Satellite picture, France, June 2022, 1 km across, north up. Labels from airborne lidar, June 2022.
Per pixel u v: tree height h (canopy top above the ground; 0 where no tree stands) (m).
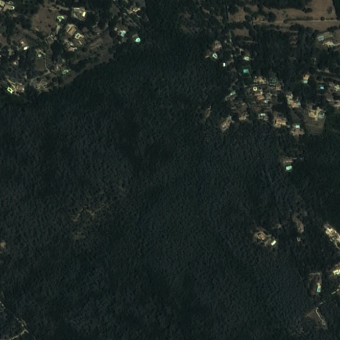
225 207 14
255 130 17
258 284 21
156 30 15
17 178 13
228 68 12
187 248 14
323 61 12
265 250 16
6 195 19
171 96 18
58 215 25
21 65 20
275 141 15
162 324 24
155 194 15
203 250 16
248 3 13
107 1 13
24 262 11
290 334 10
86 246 26
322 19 8
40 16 0
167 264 18
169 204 14
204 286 17
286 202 14
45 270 17
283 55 18
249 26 16
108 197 8
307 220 10
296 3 15
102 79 17
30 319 13
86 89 17
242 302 19
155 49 13
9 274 22
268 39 19
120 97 25
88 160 24
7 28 9
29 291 17
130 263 15
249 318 15
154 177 20
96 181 24
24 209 22
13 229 20
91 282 18
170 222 14
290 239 11
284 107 13
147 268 16
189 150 16
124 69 14
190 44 19
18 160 22
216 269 17
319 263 9
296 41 6
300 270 11
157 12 8
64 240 17
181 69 12
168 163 18
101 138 14
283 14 0
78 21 14
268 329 9
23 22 16
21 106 20
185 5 16
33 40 9
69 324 9
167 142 21
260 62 14
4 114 19
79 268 20
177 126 12
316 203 12
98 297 16
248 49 14
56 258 16
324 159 9
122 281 18
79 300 13
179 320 14
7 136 13
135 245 18
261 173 12
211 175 15
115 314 19
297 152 10
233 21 0
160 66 12
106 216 17
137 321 13
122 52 22
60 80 13
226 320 18
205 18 13
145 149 14
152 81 22
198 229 17
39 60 0
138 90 19
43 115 12
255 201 17
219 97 19
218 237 11
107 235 16
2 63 12
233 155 17
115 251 13
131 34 6
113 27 15
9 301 17
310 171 8
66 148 19
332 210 7
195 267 23
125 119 18
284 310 18
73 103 15
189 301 13
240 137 12
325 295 14
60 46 17
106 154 22
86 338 12
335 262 9
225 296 21
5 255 20
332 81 13
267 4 17
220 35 17
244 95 13
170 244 12
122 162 25
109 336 18
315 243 11
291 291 17
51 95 12
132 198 20
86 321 14
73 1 13
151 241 14
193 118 22
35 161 20
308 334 24
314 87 13
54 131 21
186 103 14
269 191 10
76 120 21
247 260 13
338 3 16
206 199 7
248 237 10
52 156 16
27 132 24
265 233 12
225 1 12
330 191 7
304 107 12
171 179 18
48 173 15
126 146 15
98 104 16
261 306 7
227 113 20
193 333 21
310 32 16
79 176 20
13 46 8
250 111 14
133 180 19
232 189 16
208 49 10
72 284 13
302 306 16
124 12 10
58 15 0
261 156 10
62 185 16
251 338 16
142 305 16
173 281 16
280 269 13
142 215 22
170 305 16
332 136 8
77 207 15
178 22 9
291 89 24
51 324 16
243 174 18
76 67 16
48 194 10
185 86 20
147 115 15
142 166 14
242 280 16
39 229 19
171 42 16
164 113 9
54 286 18
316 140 12
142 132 22
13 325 21
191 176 13
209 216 12
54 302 12
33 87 8
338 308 17
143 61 15
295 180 11
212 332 17
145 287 17
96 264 19
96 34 7
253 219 6
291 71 24
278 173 20
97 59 12
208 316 11
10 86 11
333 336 13
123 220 24
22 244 15
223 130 0
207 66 20
